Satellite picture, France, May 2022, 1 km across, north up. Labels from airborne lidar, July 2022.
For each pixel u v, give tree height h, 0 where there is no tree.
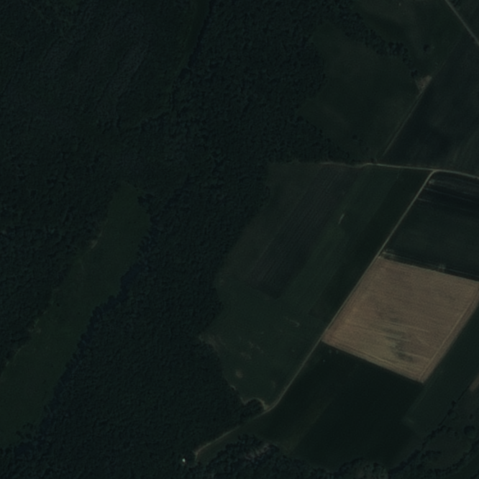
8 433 0
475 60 0
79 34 13
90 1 10
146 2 16
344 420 0
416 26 0
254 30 21
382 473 7
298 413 0
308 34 18
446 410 0
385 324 0
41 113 13
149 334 6
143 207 26
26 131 14
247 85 20
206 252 11
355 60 0
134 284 30
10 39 13
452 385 0
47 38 18
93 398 16
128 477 17
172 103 16
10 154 18
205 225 10
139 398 8
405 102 0
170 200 17
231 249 11
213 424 15
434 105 0
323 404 0
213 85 19
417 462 13
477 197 0
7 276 13
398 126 0
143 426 11
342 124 0
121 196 0
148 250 25
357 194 0
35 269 14
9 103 14
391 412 0
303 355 0
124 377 8
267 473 27
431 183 0
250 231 0
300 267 0
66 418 23
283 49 14
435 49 0
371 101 0
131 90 16
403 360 0
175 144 26
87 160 23
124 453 17
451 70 0
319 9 21
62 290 0
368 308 0
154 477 15
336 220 0
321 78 15
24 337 26
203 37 17
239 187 22
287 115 17
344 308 0
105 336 14
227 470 21
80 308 0
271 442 0
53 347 0
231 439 0
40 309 28
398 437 0
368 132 0
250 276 0
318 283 0
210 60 22
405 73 0
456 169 0
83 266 0
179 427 16
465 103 0
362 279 0
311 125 15
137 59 15
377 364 0
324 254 0
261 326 0
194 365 16
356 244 0
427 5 0
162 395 14
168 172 16
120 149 8
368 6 0
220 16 21
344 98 0
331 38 0
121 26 16
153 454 17
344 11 23
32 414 0
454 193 0
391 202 0
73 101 17
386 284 0
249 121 16
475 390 0
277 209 0
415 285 0
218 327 0
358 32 21
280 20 20
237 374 0
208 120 24
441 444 0
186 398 15
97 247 0
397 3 0
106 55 11
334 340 0
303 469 27
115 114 16
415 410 0
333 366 0
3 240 24
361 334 0
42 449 27
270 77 19
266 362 0
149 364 12
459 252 0
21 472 18
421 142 0
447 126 0
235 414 16
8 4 14
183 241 17
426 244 0
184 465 13
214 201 18
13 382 0
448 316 0
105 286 0
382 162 0
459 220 0
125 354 9
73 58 17
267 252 0
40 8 20
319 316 0
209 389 16
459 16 0
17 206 24
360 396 0
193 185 24
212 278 14
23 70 14
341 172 0
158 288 17
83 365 20
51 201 19
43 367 0
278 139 12
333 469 0
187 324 16
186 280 13
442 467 0
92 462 17
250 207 18
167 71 21
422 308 0
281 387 0
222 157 18
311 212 0
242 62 20
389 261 0
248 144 14
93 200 18
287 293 0
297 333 0
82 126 8
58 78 15
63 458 19
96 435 11
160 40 19
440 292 0
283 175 0
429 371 0
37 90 16
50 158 15
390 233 0
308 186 0
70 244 30
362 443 0
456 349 0
